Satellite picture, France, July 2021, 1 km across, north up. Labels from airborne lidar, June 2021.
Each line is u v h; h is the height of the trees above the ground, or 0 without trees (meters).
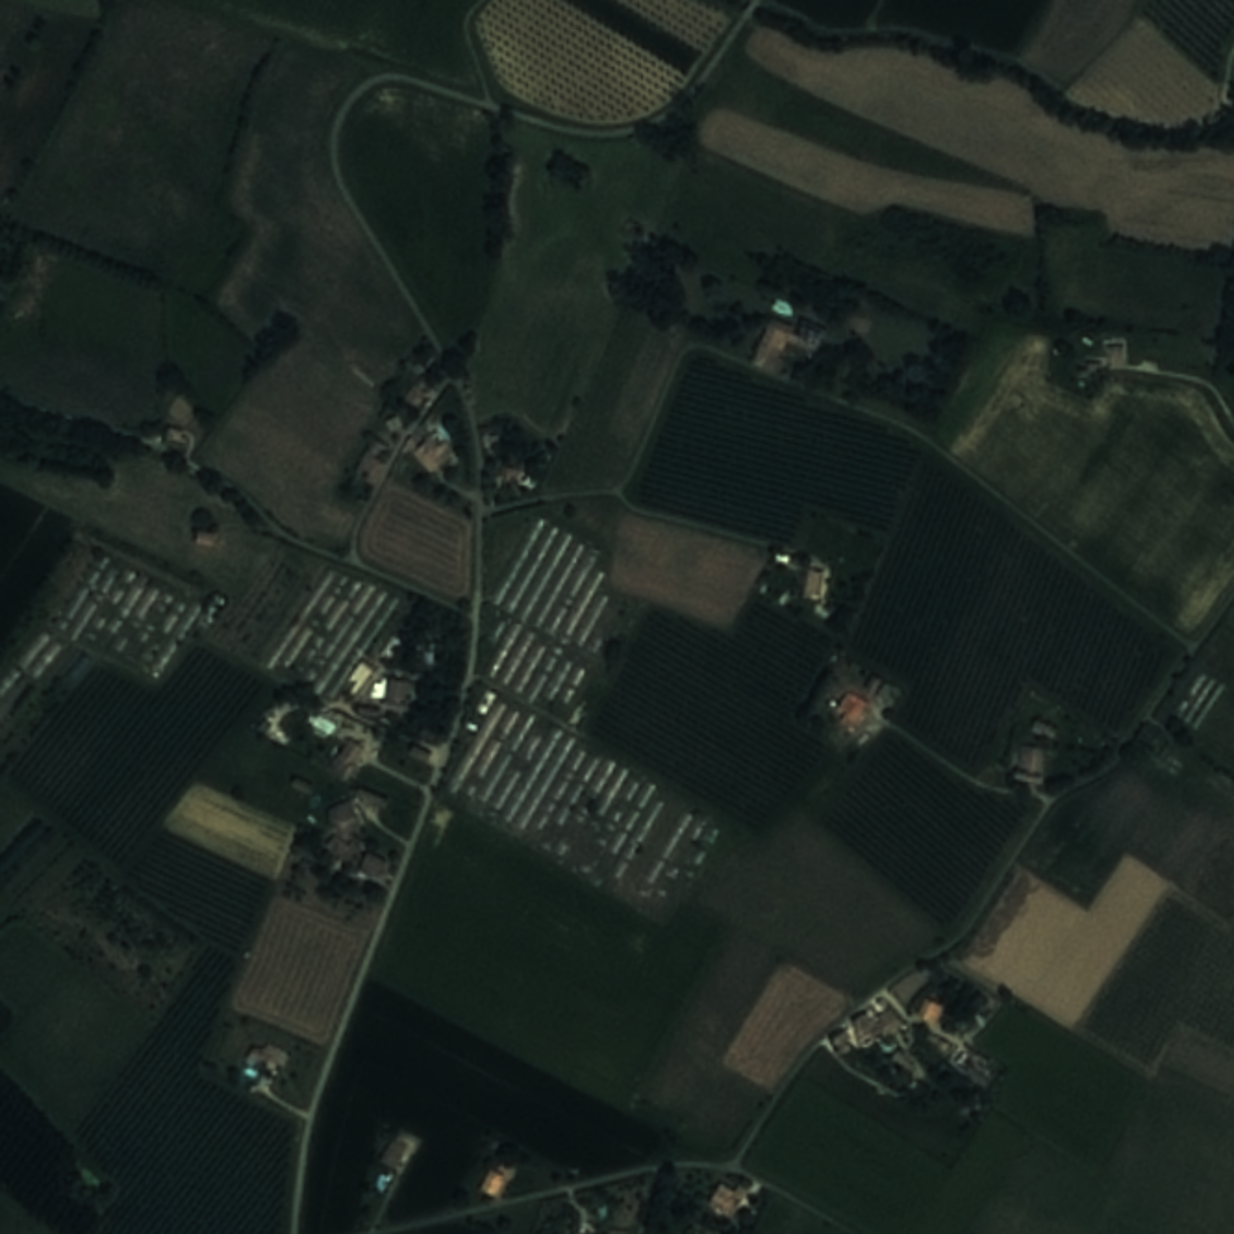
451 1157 0
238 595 0
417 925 0
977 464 0
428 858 0
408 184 0
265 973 0
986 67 25
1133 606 0
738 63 0
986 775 0
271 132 0
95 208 0
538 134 0
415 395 0
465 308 0
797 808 0
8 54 0
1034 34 0
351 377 0
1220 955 0
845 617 10
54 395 0
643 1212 6
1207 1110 0
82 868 7
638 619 0
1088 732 0
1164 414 0
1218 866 0
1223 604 0
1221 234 0
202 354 0
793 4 0
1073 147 0
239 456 0
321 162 0
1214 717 0
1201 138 16
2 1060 0
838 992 0
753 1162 0
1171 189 0
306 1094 0
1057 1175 0
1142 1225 0
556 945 0
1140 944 0
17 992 0
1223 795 0
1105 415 0
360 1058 0
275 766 0
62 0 0
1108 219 0
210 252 0
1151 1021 0
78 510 0
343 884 14
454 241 0
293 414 0
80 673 0
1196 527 0
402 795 0
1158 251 7
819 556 0
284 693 10
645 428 0
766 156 0
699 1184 8
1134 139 23
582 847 0
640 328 0
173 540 0
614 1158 0
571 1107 0
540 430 0
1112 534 0
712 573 0
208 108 0
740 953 0
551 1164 0
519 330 0
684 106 25
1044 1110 0
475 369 0
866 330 0
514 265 0
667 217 0
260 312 0
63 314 0
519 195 0
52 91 0
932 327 12
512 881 0
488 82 0
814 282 15
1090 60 0
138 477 0
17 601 0
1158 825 0
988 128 0
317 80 0
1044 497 0
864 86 0
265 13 0
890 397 9
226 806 0
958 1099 11
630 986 0
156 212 0
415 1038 0
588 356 0
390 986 0
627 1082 0
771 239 0
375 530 0
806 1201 0
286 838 0
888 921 0
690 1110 0
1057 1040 0
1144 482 0
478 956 0
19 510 0
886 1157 0
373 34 0
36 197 0
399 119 0
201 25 0
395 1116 0
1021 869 0
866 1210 0
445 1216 0
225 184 0
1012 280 0
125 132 0
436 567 0
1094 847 0
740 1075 0
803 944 0
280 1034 0
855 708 0
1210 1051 0
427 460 0
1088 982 0
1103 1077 0
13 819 0
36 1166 27
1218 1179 0
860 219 0
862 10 0
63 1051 0
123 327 0
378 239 0
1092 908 0
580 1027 0
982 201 0
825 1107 0
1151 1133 0
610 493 0
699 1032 0
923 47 7
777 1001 0
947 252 7
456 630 6
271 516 7
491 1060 0
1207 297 0
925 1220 0
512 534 0
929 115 0
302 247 0
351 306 0
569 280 0
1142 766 0
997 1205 0
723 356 0
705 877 0
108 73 0
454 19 0
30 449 6
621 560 0
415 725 9
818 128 0
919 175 0
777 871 0
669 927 0
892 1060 7
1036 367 0
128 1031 0
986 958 0
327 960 0
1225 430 0
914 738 0
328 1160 0
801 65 0
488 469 10
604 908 0
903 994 0
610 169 0
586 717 0
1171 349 0
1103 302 0
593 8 0
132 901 6
